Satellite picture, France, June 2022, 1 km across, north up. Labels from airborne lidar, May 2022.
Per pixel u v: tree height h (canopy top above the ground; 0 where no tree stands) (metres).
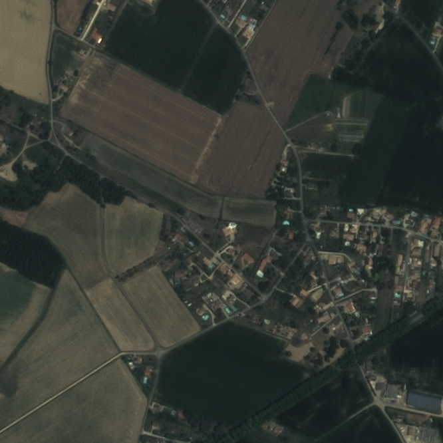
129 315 0
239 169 0
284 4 0
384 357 7
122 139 0
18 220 0
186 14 0
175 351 0
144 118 0
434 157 0
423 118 0
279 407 21
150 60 0
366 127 0
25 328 0
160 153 0
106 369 0
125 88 0
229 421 0
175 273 0
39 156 0
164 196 0
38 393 0
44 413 0
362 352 26
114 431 0
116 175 0
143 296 0
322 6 0
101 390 0
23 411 0
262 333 0
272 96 0
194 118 0
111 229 0
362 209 0
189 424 17
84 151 0
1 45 0
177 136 0
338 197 0
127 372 0
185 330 0
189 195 0
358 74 0
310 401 0
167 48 0
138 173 0
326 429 0
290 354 9
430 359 0
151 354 0
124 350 0
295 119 0
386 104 0
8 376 0
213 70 0
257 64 0
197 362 0
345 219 0
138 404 0
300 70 0
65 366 0
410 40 0
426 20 0
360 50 8
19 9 0
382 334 22
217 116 0
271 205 0
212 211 0
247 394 0
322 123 0
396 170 0
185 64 0
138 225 0
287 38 0
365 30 6
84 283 0
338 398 0
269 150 0
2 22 0
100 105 0
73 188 0
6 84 0
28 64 0
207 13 0
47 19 0
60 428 0
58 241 0
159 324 0
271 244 7
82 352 0
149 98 0
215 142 0
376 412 0
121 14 0
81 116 0
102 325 0
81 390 0
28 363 0
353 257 0
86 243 0
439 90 0
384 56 0
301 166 0
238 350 0
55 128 0
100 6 0
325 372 22
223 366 0
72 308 0
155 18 0
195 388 0
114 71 0
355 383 0
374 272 19
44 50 0
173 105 0
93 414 0
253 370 0
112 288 0
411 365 0
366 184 0
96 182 10
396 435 0
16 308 0
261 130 0
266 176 0
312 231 10
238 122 0
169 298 0
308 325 0
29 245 19
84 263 0
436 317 0
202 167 0
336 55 0
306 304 0
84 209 0
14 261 18
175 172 0
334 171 0
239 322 0
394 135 0
